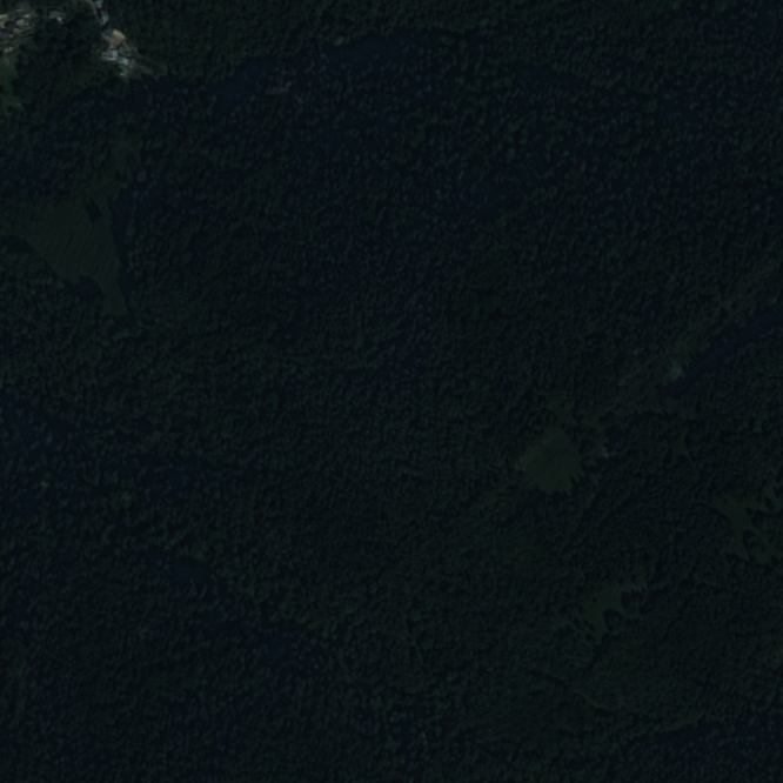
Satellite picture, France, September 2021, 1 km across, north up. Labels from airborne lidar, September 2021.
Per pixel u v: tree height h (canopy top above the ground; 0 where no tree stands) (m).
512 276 24
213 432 20
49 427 32
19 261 26
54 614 31
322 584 28
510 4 32
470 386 26
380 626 29
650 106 36
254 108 24
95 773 33
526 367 25
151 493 25
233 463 30
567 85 24
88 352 23
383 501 27
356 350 18
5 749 27
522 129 25
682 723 30
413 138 40
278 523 18
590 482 22
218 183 26
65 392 20
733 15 30
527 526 23
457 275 27
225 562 18
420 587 22
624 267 28
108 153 28
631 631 22
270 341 19
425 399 31
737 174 25
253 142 29
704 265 26
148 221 27
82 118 25
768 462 20
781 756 31
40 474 28
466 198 22
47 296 25
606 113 26
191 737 31
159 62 23
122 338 25
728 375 31
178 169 29
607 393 25
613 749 23
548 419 17
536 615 16
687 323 25
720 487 19
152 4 19
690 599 22
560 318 21
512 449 20
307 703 24
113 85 18
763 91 21
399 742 21
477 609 32
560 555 16
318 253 29
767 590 20
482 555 26
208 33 21
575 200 32
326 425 21
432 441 26
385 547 18
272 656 24
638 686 27
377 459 29
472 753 36
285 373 20
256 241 22
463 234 29
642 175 31
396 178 32
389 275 28
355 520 23
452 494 18
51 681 24
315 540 26
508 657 29
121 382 24
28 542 32
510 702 29
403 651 20
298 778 26
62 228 0
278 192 31
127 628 34
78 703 30
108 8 7
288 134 28
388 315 23
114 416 29
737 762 23
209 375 17
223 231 26
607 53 32
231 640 27
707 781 32
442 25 31
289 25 23
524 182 29
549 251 27
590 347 12
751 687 22
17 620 26
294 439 24
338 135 29
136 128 31
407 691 21
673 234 31
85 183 22
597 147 33
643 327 25
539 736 27
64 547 32
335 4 36
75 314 27
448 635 23
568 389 20
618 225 29
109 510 26
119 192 0
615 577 23
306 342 27
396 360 28
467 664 21
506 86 30
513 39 36
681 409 23
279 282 17
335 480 28
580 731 23
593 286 29
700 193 29
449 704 28
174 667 27
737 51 31
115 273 0
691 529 21
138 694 30
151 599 28
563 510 25
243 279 23
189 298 20
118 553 27
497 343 19
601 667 24
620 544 23
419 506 17
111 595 31
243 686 31
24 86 28
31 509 22
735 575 16
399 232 28
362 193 38
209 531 26
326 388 21
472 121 30
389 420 24
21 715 16
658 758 23
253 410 23
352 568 22
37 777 24
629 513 24
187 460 30
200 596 36
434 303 33
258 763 26
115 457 32
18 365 25
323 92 35
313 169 34
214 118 25
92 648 30
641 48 31
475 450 20
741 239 25
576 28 26
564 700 32
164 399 22
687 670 18
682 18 28
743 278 29
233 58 15
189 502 32
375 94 27
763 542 8
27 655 23
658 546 27
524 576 20
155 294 14
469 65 19
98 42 7
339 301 31
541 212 24
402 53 32
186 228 26
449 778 29
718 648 27
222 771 31
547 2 35
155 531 24
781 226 30
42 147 33
